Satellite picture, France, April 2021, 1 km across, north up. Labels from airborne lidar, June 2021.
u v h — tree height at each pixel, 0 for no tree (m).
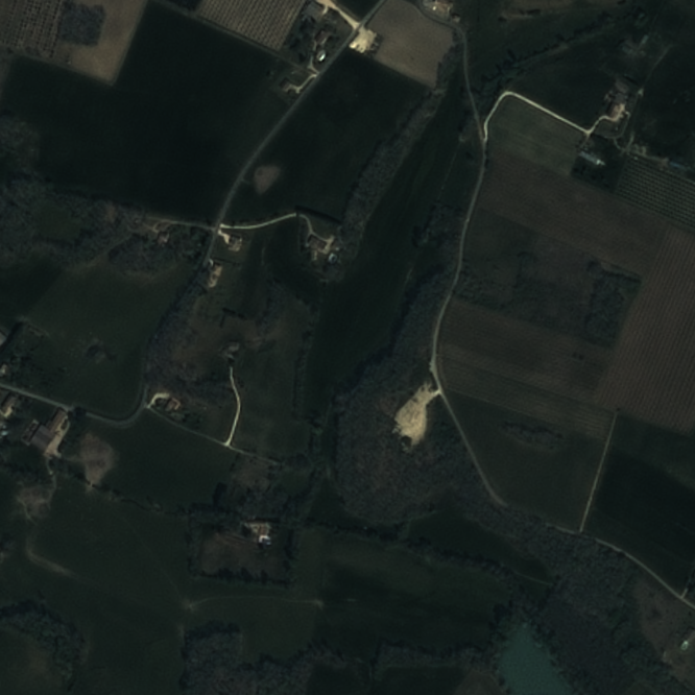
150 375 11
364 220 21
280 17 0
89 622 0
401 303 0
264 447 0
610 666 18
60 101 0
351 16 0
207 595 0
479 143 0
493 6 0
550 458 0
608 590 20
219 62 0
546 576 0
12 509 0
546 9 0
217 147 0
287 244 0
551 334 0
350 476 17
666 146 0
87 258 19
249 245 0
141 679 0
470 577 0
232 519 16
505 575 17
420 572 0
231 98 0
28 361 7
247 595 0
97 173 0
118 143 0
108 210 17
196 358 0
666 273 0
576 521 0
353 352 0
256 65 0
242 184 0
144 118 0
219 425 0
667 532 0
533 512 0
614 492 0
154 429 0
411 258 0
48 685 0
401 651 13
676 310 0
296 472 19
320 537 0
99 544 0
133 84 0
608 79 0
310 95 0
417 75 0
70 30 17
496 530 17
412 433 0
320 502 0
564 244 0
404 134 12
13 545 15
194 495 0
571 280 0
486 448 0
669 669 16
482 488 13
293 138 0
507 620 26
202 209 0
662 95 0
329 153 0
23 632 16
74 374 0
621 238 0
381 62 0
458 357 0
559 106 0
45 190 12
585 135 0
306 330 0
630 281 11
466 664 13
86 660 20
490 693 0
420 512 19
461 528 0
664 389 0
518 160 0
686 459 0
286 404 0
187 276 0
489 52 0
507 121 0
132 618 0
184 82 0
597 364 0
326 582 0
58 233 0
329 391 0
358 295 0
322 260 0
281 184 0
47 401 0
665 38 0
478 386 0
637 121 0
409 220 0
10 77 0
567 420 0
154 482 0
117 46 0
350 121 0
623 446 0
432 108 8
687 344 0
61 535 0
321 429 18
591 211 0
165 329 13
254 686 21
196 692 19
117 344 0
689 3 0
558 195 0
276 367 0
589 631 18
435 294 18
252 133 0
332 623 0
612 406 0
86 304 0
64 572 0
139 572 0
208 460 0
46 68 0
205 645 22
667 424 0
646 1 0
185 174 0
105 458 0
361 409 13
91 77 0
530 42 0
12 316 0
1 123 14
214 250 0
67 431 0
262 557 0
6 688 0
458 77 0
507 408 0
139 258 17
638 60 0
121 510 0
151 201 0
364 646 0
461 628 0
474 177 0
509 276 0
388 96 0
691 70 0
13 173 0
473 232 0
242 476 0
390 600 0
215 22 0
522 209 0
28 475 19
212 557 0
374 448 9
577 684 13
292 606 0
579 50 0
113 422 0
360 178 10
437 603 0
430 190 0
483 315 0
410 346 17
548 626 21
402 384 10
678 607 0
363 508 12
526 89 0
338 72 0
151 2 0
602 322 14
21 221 17
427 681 0
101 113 0
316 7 0
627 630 17
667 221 0
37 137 0
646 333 0
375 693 0
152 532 0
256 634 0
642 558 0
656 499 0
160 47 0
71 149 0
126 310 0
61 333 0
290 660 0
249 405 0
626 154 0
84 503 0
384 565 0
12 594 0
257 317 0
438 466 17
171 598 0
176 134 0
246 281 0
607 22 15
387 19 0
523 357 0
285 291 15
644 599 0
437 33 0
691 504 0
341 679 0
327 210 0
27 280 0
